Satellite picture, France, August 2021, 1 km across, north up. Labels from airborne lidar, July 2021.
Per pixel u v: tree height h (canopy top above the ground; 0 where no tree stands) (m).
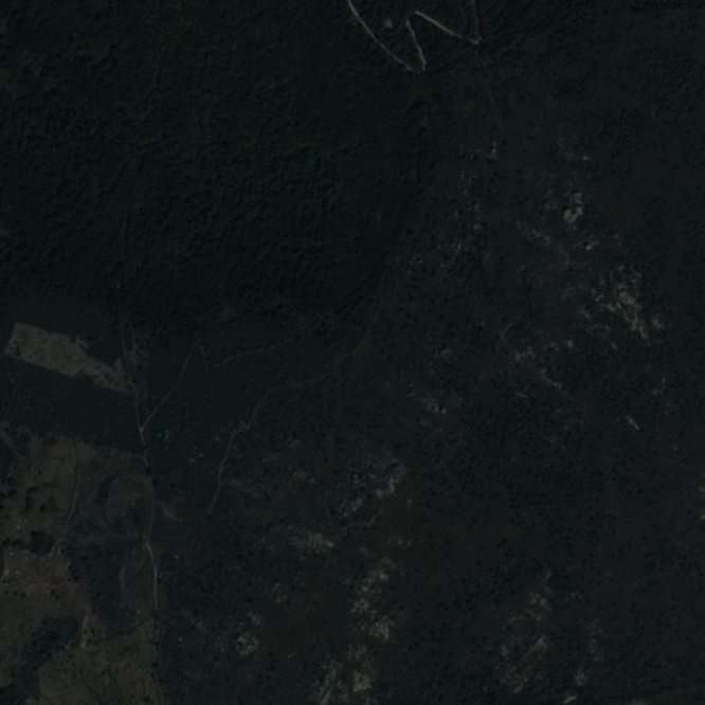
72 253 17
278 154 13
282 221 13
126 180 16
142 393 0
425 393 0
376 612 0
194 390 0
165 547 0
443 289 0
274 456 0
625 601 0
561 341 0
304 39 10
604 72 0
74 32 14
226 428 0
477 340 7
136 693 0
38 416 0
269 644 0
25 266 8
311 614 0
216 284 11
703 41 0
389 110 12
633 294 0
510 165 0
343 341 0
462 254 7
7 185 6
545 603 0
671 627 0
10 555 0
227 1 11
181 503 0
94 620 0
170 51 11
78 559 0
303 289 14
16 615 0
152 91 15
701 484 0
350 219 14
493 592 6
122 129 13
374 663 0
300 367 0
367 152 13
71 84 18
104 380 0
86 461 0
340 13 8
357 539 0
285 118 14
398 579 0
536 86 0
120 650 0
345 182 14
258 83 14
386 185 12
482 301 0
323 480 0
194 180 16
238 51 13
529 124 0
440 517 0
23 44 13
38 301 0
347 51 11
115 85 19
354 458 0
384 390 0
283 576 0
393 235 7
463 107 0
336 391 0
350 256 14
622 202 0
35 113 16
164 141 13
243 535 0
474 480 8
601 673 0
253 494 0
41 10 16
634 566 0
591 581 0
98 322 0
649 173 0
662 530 0
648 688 0
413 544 0
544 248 0
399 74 11
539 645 0
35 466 0
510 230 0
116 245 11
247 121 16
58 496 0
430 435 0
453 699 0
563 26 7
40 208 7
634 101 0
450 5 16
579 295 0
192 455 0
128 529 0
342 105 12
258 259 10
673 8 12
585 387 5
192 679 0
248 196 12
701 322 6
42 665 0
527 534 0
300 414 0
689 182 0
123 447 0
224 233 11
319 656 0
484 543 0
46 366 0
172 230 15
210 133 19
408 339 0
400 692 0
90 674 0
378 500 0
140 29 15
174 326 7
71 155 6
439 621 0
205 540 0
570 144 0
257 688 0
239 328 0
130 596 0
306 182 13
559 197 0
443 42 16
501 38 18
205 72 17
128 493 0
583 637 0
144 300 14
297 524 0
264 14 12
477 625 0
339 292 14
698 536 0
